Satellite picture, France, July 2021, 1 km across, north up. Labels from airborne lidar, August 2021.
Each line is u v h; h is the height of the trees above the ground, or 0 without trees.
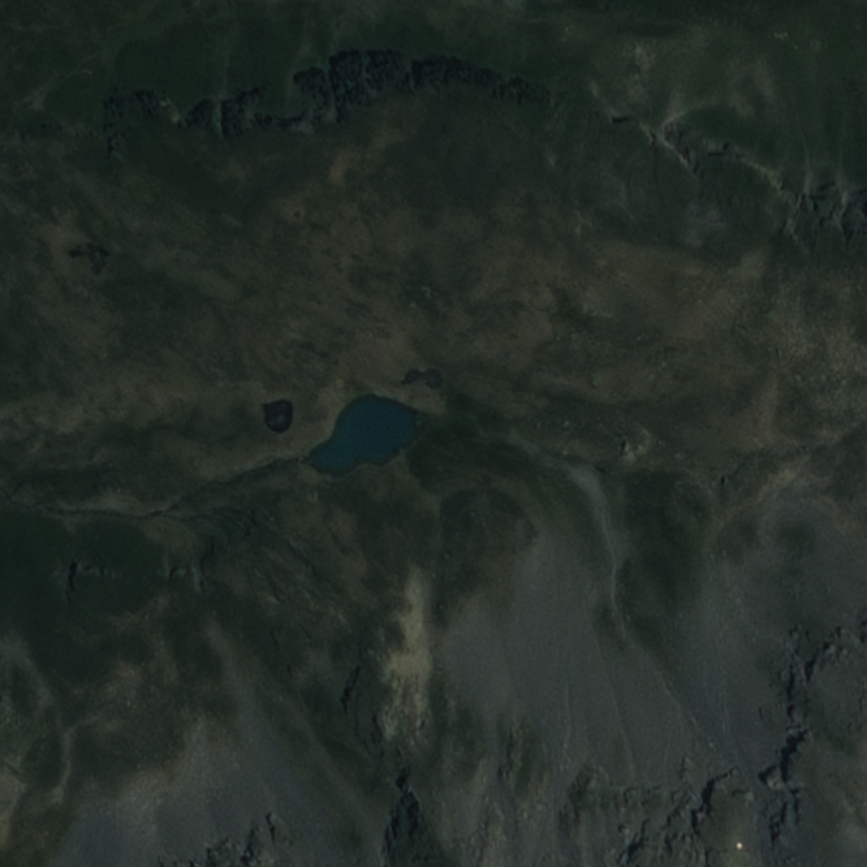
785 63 0
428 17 0
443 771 0
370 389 0
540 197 0
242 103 8
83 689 0
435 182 0
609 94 0
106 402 0
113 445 0
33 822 0
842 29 0
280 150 0
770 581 0
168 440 0
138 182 0
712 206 0
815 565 0
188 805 0
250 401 0
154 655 0
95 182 0
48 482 0
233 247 0
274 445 0
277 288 0
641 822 0
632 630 0
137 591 0
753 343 0
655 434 0
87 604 0
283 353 0
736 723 0
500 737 0
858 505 0
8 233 0
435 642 0
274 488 0
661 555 0
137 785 0
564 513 0
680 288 0
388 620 0
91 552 0
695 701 0
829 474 0
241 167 0
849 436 0
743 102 0
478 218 0
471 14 0
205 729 0
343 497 0
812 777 0
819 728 0
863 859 0
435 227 0
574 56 0
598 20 0
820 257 0
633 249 0
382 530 0
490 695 0
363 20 0
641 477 0
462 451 0
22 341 0
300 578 0
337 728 0
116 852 0
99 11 0
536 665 0
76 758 0
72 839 0
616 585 0
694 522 0
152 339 0
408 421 0
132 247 0
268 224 0
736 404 0
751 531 0
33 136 0
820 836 0
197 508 0
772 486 0
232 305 0
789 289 0
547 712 0
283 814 0
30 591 0
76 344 0
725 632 0
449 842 0
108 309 0
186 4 0
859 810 0
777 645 0
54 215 0
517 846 0
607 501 0
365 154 0
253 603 0
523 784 0
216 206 0
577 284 0
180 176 0
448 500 0
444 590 0
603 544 0
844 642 0
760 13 0
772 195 0
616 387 0
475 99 0
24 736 0
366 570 0
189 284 0
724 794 0
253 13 0
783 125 0
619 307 0
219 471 0
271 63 0
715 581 0
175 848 0
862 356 0
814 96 0
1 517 0
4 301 0
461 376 0
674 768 0
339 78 8
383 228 0
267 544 0
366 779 0
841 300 0
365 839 0
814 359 0
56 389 0
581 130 0
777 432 0
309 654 0
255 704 0
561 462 0
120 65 0
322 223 0
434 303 0
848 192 0
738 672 0
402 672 0
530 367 0
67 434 0
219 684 0
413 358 0
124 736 0
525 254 0
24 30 0
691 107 0
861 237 0
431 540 0
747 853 0
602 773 0
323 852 0
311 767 0
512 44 0
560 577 0
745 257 0
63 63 0
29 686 0
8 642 0
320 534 0
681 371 0
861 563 0
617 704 0
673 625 0
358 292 0
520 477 0
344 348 0
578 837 0
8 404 0
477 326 0
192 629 0
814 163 0
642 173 0
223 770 0
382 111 0
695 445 0
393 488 0
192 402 0
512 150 0
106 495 0
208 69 0
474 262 0
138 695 0
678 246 0
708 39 0
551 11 0
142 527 0
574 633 0
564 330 0
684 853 0
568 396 0
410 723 0
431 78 9
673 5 0
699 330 0
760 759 0
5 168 0
